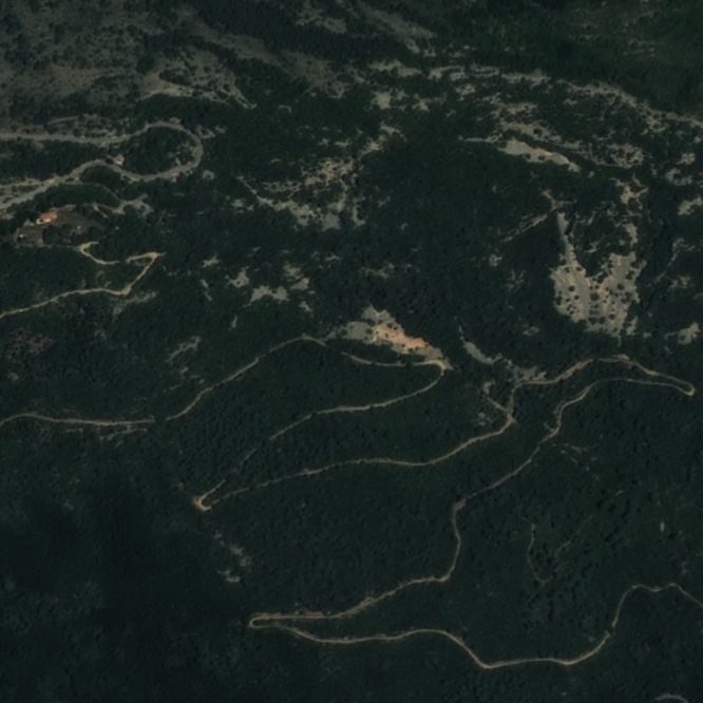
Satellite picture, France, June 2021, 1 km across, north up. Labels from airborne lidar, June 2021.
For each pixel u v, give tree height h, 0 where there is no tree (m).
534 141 10
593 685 10
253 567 6
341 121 9
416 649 7
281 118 6
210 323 17
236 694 12
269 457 17
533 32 8
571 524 8
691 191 10
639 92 10
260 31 12
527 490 11
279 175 9
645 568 12
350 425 9
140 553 13
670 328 8
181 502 9
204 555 8
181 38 9
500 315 8
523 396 8
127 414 11
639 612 12
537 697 9
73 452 7
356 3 6
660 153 10
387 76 5
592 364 12
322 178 15
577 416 8
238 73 6
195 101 10
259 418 6
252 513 8
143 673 12
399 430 8
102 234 7
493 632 5
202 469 18
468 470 10
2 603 13
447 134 11
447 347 11
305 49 8
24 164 7
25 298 5
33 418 6
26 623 24
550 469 8
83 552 8
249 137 9
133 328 7
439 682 9
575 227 15
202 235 10
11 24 8
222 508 10
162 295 6
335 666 7
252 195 9
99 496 10
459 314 10
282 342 11
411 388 9
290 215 6
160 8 6
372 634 9
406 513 10
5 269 7
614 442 9
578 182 6
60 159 8
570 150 10
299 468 9
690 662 15
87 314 10
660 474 9
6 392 8
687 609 10
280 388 7
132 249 12
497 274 7
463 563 8
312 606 14
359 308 9
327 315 7
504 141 6
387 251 6
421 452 6
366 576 14
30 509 10
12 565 11
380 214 7
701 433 12
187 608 9
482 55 8
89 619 18
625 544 18
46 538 11
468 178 7
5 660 11
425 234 8
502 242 6
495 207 8
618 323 0
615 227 6
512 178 7
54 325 8
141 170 6
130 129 7
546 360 10
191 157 6
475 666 8
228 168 8
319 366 7
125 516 9
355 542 10
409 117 6
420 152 8
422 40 6
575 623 18
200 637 9
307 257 7
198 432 6
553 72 8
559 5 13
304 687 9
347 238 9
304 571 9
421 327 6
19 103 7
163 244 6
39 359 9
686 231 8
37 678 7
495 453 7
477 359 7
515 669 7
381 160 8
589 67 7
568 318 16
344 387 7
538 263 25
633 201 8
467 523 12
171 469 8
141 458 5
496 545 7
